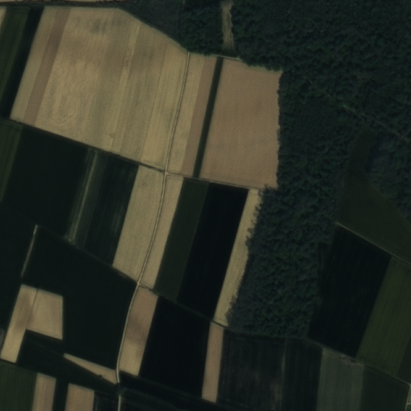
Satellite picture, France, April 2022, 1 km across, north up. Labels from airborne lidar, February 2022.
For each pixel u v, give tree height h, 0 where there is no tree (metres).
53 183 0
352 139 22
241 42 26
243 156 0
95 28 0
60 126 0
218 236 0
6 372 0
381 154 34
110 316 0
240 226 0
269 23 18
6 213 0
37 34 0
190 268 0
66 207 0
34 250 0
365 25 15
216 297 0
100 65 0
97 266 0
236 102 0
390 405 0
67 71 0
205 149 0
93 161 0
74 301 0
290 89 16
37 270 0
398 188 28
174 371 0
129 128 0
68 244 0
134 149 0
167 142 0
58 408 0
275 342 0
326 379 0
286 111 13
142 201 0
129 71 0
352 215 0
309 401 0
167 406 0
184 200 0
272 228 25
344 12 14
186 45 19
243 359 0
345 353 0
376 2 24
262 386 0
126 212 0
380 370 0
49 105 0
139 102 0
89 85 0
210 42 17
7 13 0
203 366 0
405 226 0
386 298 0
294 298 29
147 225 0
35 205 0
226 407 0
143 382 0
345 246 0
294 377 0
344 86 30
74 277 0
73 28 0
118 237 0
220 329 0
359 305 0
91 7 0
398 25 17
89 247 0
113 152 0
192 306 0
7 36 0
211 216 0
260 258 29
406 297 0
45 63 0
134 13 10
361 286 0
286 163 15
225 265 0
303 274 32
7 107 0
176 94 0
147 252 0
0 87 0
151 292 0
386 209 0
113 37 0
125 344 0
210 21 21
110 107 0
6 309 0
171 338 0
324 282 0
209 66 0
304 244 27
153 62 0
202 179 0
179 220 0
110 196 0
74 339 0
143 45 0
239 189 0
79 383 0
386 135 27
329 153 12
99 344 0
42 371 0
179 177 0
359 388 0
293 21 21
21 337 0
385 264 0
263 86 0
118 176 0
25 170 0
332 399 0
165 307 0
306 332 23
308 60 17
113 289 0
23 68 0
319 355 0
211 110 0
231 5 0
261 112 0
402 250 0
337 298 0
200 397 0
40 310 0
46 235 0
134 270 0
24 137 0
